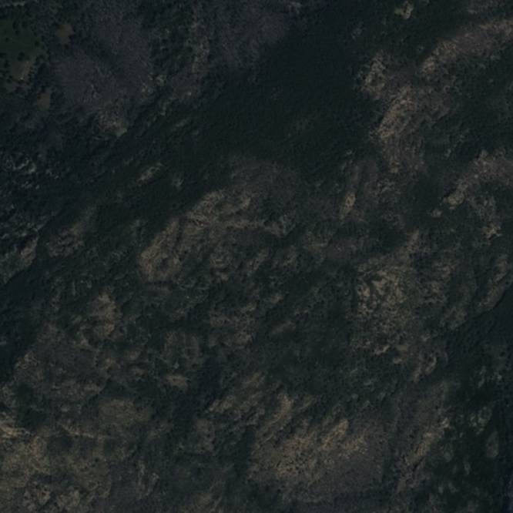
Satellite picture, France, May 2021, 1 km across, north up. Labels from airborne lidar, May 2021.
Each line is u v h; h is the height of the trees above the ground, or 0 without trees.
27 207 6
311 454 12
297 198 16
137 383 18
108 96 17
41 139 15
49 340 13
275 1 17
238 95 16
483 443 11
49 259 14
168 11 19
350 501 22
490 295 7
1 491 0
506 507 7
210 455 13
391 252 17
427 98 15
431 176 13
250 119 15
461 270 13
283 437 12
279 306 17
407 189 13
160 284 11
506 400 6
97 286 16
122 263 12
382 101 15
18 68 0
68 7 16
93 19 17
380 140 13
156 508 11
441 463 8
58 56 16
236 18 16
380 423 16
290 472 15
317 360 12
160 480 7
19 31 9
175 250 9
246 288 12
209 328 16
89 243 14
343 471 13
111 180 12
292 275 15
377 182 11
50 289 12
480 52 16
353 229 18
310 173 13
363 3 11
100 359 17
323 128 16
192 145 17
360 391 13
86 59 19
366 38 13
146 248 12
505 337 14
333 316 12
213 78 15
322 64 16
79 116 13
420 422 0
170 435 17
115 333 12
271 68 15
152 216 15
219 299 14
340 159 13
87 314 16
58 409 11
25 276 15
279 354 11
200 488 6
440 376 17
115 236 10
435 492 5
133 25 18
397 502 19
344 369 11
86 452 15
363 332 9
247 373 11
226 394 11
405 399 16
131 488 14
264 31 14
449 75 16
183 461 16
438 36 22
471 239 13
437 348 13
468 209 14
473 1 19
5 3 13
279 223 10
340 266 9
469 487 19
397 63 19
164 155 16
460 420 10
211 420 10
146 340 11
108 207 15
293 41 17
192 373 15
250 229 13
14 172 9
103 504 16
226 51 18
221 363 11
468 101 20
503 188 16
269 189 16
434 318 15
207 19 22
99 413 10
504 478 7
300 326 12
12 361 10
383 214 8
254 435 15
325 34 15
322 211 14
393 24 13
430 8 23
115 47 17
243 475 23
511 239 12
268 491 8
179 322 12
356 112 15
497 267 7
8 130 15
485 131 24
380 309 18
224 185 16
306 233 13
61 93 6
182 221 12
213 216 0
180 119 12
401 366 18
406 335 14
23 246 7
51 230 15
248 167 12
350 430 13
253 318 15
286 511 9
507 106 17
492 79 20
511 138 19
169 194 15
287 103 12
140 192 14
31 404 11
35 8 21
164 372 15
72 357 15
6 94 17
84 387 10
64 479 10
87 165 13
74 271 12
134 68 16
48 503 13
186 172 12
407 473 14
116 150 12
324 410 16
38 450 0
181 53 11
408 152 11
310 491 17
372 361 16
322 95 17
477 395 11
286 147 11
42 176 11
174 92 17
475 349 20
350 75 13
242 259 15
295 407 14
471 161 19
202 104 9
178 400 12
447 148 10
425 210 15
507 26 12
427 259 11
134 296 10
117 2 15
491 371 6
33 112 15
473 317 12
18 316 14
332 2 16
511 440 19
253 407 13
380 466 16
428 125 13
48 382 11
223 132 19
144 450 15
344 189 12
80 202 15
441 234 12
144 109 8
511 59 23
